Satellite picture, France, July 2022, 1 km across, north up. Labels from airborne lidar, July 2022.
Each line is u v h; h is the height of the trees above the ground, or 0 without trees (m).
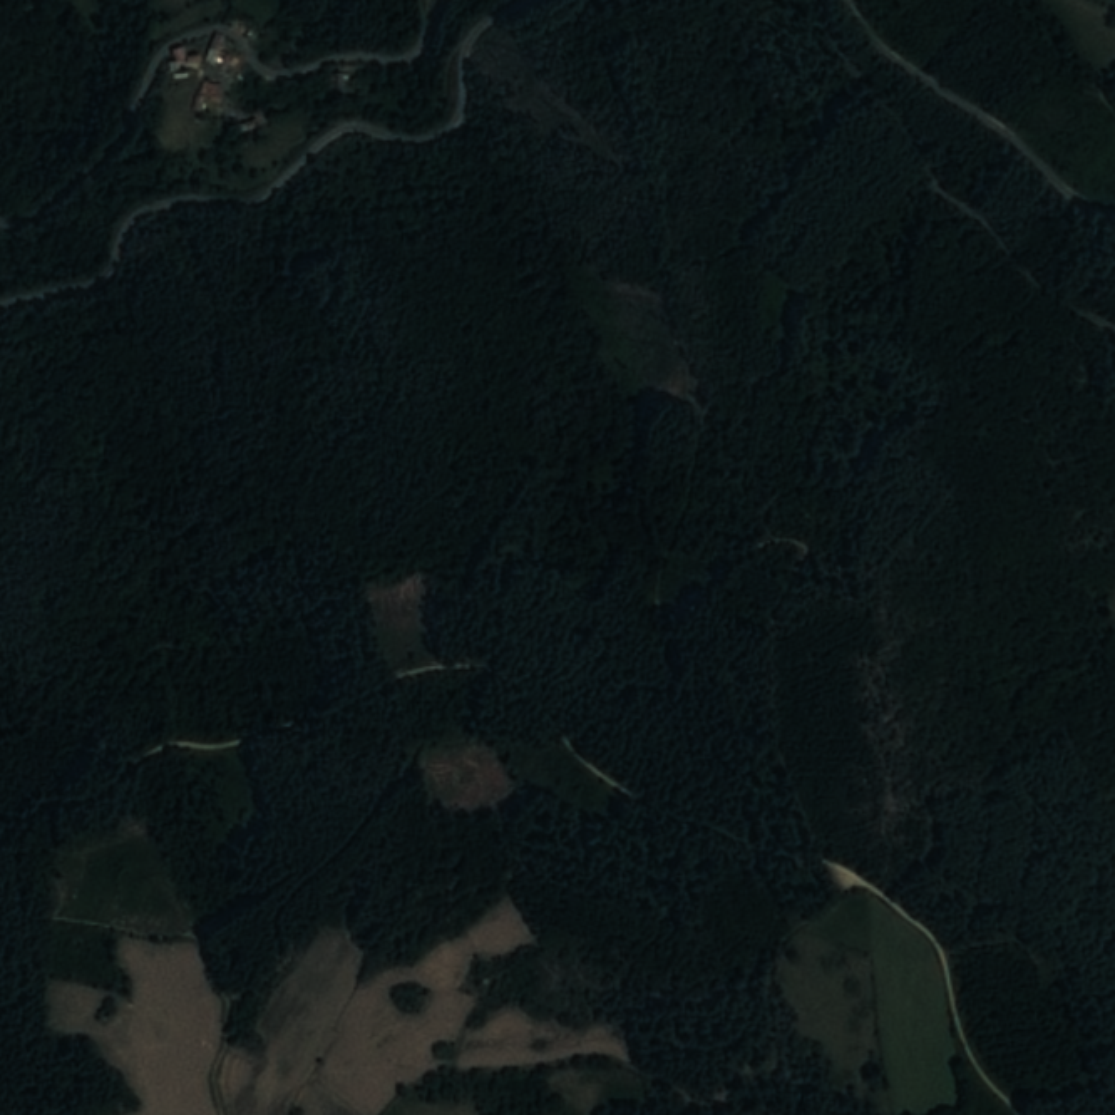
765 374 14
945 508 18
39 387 9
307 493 13
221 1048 0
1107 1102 26
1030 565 17
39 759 12
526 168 14
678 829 35
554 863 32
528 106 0
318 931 9
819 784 6
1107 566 18
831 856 14
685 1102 7
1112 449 17
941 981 0
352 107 10
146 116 10
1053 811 24
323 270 27
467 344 20
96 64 21
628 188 15
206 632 15
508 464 15
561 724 29
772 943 11
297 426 17
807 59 34
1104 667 22
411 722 6
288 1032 0
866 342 37
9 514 20
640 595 20
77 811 27
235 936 24
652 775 36
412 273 17
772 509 6
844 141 32
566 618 28
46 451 14
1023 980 9
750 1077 10
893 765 8
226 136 8
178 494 19
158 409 23
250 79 8
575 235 13
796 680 7
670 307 16
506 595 28
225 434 25
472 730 23
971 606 16
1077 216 39
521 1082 13
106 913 0
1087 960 25
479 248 18
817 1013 0
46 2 31
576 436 12
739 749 35
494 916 0
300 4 22
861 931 0
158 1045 0
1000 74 12
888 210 12
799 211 27
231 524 26
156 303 21
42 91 19
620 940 11
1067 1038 8
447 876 14
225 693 11
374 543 19
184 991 0
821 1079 22
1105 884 27
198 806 11
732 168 21
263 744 25
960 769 11
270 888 25
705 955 15
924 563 9
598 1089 0
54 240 19
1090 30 0
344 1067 0
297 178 6
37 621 19
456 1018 0
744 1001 25
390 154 16
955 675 16
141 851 0
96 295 16
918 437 23
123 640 21
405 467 13
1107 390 31
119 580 24
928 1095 0
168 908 0
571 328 17
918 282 24
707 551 12
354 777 17
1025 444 21
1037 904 28
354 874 13
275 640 9
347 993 0
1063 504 19
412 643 0
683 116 15
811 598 15
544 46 19
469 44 0
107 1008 9
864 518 27
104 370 17
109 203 13
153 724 7
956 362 23
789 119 22
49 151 23
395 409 14
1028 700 19
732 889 16
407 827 14
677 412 30
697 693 33
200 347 14
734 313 16
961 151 20
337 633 26
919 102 19
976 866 23
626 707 34
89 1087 20
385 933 19
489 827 14
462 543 12
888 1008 0
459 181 9
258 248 14
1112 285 29
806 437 20
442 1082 11
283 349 24
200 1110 0
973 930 27
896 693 9
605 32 16
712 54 13
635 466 20
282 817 27
